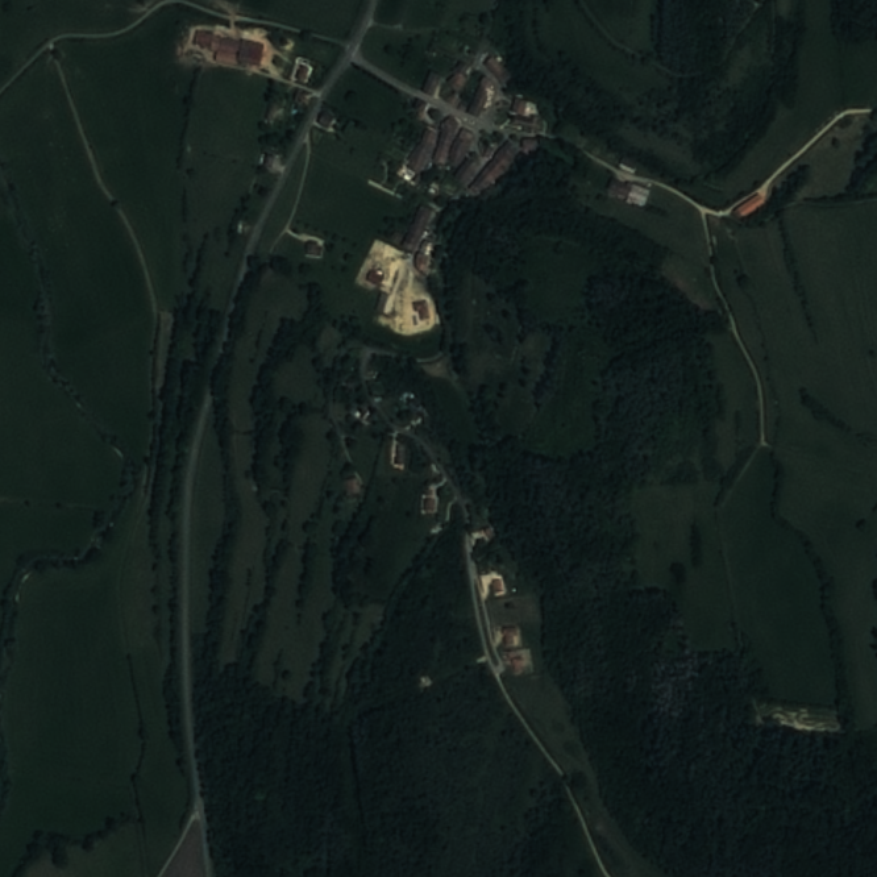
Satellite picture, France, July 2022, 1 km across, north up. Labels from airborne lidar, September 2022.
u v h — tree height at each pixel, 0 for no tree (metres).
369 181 0
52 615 0
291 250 0
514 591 0
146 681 0
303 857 13
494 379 0
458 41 0
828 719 0
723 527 0
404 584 6
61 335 0
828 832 16
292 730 9
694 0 14
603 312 21
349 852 18
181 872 0
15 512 0
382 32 0
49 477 0
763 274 0
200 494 0
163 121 0
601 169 0
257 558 0
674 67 15
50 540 0
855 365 0
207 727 10
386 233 6
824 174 0
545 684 0
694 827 17
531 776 0
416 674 9
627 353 17
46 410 0
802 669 0
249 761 15
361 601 9
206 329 6
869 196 6
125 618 0
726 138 7
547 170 22
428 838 7
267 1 0
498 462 11
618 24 0
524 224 10
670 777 27
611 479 15
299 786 10
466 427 0
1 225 0
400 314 0
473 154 9
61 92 0
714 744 17
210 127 0
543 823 8
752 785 24
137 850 0
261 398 16
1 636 11
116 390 0
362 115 0
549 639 12
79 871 0
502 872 9
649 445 20
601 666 16
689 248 0
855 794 12
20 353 0
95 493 0
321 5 0
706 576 0
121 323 0
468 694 6
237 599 0
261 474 20
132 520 0
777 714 0
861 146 0
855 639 0
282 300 0
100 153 0
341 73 0
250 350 0
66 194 0
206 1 0
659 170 9
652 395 22
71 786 0
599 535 11
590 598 15
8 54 0
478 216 16
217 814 10
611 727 17
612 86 0
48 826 0
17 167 0
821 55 0
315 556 12
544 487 25
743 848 19
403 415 13
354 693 12
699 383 9
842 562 0
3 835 0
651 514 0
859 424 0
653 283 20
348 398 10
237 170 0
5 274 0
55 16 0
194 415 13
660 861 13
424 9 0
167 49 0
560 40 0
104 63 0
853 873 14
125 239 0
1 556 0
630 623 17
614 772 15
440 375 0
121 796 0
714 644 0
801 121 0
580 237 11
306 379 0
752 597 0
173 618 7
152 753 0
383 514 0
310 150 0
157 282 0
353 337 12
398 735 7
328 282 0
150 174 0
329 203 0
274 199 0
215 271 0
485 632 0
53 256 0
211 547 0
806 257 0
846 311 0
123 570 0
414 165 0
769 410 0
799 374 0
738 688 15
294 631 0
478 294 0
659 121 9
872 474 0
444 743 7
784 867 7
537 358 0
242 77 0
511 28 8
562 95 7
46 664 0
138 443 0
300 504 0
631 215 0
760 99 7
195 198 0
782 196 15
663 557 0
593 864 0
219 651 12
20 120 0
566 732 0
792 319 0
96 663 0
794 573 0
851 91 0
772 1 8
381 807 12
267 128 10
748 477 0
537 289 0
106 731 0
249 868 9
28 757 0
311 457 0
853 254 0
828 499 0
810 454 0
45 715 0
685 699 18
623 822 11
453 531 9
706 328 15
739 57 0
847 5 21
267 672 0
